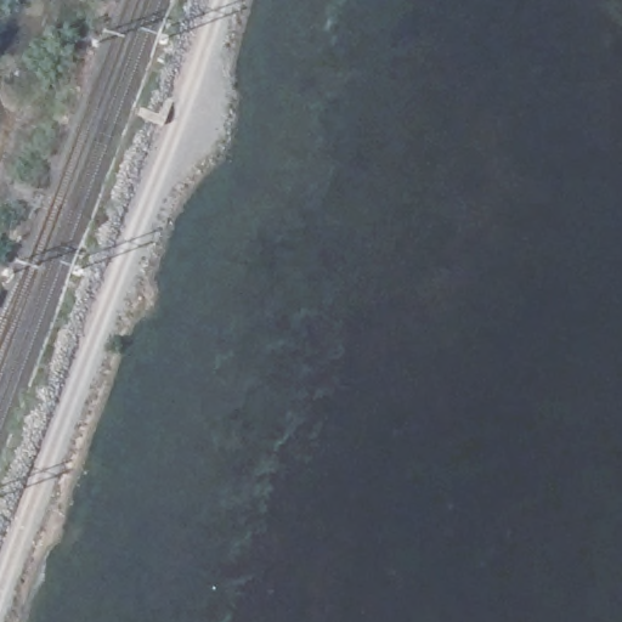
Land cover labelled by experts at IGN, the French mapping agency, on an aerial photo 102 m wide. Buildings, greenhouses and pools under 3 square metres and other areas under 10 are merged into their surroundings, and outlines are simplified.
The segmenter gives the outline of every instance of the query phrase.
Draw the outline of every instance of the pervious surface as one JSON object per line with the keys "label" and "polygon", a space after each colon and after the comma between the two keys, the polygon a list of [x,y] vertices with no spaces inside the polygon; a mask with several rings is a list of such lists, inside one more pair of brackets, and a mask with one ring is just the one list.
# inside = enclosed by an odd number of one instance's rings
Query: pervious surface
{"label": "pervious surface", "polygon": [[151,44],[158,41],[163,46],[170,41],[168,34],[158,32],[158,24],[163,22],[168,5],[175,5],[177,0],[114,0],[114,7],[102,15],[104,36],[100,39],[100,46],[87,44],[83,66],[83,80],[78,85],[80,95],[68,97],[68,112],[68,121],[63,124],[66,138],[58,156],[53,156],[49,163],[51,204],[49,209],[29,207],[27,221],[17,226],[22,231],[22,238],[17,241],[17,258],[44,265],[44,272],[34,272],[27,267],[22,270],[12,309],[5,316],[5,326],[0,330],[0,452],[7,440],[7,423],[19,403],[19,391],[27,386],[36,352],[51,323],[53,309],[61,309],[66,292],[75,294],[70,316],[56,338],[53,357],[49,364],[49,381],[36,391],[39,401],[24,418],[22,445],[17,447],[12,467],[5,479],[5,498],[0,498],[0,622],[27,622],[32,598],[41,588],[46,576],[46,554],[61,535],[73,484],[80,476],[80,464],[87,454],[87,442],[100,420],[102,406],[117,374],[121,347],[119,338],[131,333],[131,328],[141,318],[151,313],[156,304],[156,272],[175,224],[175,214],[202,182],[202,177],[224,160],[226,148],[231,146],[231,126],[236,124],[236,112],[228,109],[228,102],[236,100],[233,66],[253,0],[185,0],[185,10],[202,5],[207,7],[207,15],[194,22],[197,32],[192,32],[192,49],[185,58],[182,75],[175,83],[175,95],[163,102],[158,112],[146,107],[138,109],[138,117],[146,121],[136,131],[129,151],[124,153],[117,182],[112,187],[107,216],[95,216],[95,224],[100,226],[97,253],[90,255],[87,267],[80,267],[70,265],[70,258],[90,219],[117,136],[124,126],[124,119],[131,112],[131,102],[141,83],[143,66],[151,53]]}

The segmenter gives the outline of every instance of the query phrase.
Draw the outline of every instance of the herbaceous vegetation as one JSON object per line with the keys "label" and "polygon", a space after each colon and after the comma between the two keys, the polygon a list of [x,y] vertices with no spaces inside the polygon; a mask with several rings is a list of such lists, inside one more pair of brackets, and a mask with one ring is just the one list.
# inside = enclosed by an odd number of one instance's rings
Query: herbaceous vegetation
{"label": "herbaceous vegetation", "polygon": [[90,255],[97,253],[100,226],[95,224],[95,216],[107,216],[112,187],[117,182],[124,153],[129,151],[136,131],[146,121],[138,117],[138,109],[146,107],[158,112],[163,102],[175,95],[175,83],[182,75],[185,58],[192,49],[192,32],[197,32],[194,22],[207,15],[207,7],[202,5],[185,10],[185,0],[177,0],[175,5],[168,5],[163,22],[158,24],[158,32],[168,34],[170,41],[163,46],[158,41],[151,44],[151,53],[143,66],[141,83],[131,102],[131,112],[124,119],[124,126],[117,136],[90,219],[70,258],[70,265],[80,267],[87,267]]}
{"label": "herbaceous vegetation", "polygon": [[19,182],[17,175],[5,170],[5,165],[10,163],[7,153],[15,151],[17,131],[34,114],[34,107],[27,102],[17,102],[15,92],[5,85],[7,78],[19,75],[24,56],[12,53],[0,58],[0,207],[10,207],[17,199],[24,199],[29,207],[49,209],[51,204],[49,163],[41,165],[41,175],[36,177],[34,187]]}
{"label": "herbaceous vegetation", "polygon": [[27,267],[34,272],[44,272],[44,265],[17,258],[7,267],[0,267],[0,330],[5,326],[5,316],[12,309],[22,270]]}
{"label": "herbaceous vegetation", "polygon": [[73,49],[73,63],[83,66],[87,44],[100,46],[100,39],[104,36],[102,15],[114,7],[114,0],[73,0],[68,5],[61,5],[53,29],[56,41],[61,46]]}
{"label": "herbaceous vegetation", "polygon": [[66,292],[61,309],[53,309],[51,323],[36,352],[27,386],[19,391],[19,403],[7,423],[7,440],[0,452],[0,498],[5,498],[5,479],[12,467],[17,447],[22,445],[24,418],[39,401],[36,391],[49,381],[49,364],[53,357],[56,338],[70,316],[75,294]]}
{"label": "herbaceous vegetation", "polygon": [[68,121],[68,112],[56,117],[56,121],[61,124],[53,129],[53,156],[58,156],[66,138],[63,124]]}

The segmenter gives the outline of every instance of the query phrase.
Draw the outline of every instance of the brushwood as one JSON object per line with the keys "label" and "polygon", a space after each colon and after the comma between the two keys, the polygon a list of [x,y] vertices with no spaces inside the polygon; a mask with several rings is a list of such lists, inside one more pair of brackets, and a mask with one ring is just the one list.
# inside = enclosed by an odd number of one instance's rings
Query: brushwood
{"label": "brushwood", "polygon": [[17,102],[27,102],[34,107],[34,114],[17,131],[15,151],[7,153],[10,163],[5,165],[5,170],[17,175],[19,182],[34,187],[36,177],[41,175],[41,165],[49,163],[53,156],[53,129],[61,124],[56,121],[56,117],[68,112],[68,97],[80,95],[78,85],[83,80],[83,66],[73,63],[73,49],[61,46],[56,41],[53,29],[44,29],[41,36],[32,39],[24,49],[17,41],[19,22],[10,17],[12,0],[0,0],[0,58],[12,53],[24,56],[19,75],[7,78],[5,85],[15,92]]}
{"label": "brushwood", "polygon": [[27,221],[29,207],[24,199],[17,199],[10,207],[0,207],[0,267],[7,267],[17,258],[17,241],[22,238],[22,231],[17,226]]}

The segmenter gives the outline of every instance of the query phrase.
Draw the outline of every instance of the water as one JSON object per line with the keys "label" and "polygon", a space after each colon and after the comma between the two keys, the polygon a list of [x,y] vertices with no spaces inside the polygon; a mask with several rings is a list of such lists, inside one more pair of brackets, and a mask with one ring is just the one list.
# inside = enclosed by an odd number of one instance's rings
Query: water
{"label": "water", "polygon": [[100,420],[87,442],[87,454],[80,464],[80,476],[73,484],[61,535],[46,554],[46,576],[41,588],[32,598],[27,622],[622,622],[622,0],[253,0],[233,66],[236,100],[228,102],[228,109],[236,112],[236,124],[231,126],[231,146],[226,148],[224,160],[202,177],[202,182],[175,214],[175,224],[156,272],[156,304],[151,313],[141,318],[131,328],[131,333],[119,338],[121,347],[117,374],[102,406]]}
{"label": "water", "polygon": [[12,0],[10,17],[19,22],[17,41],[24,49],[32,39],[41,36],[44,29],[53,29],[61,5],[68,5],[73,0]]}

